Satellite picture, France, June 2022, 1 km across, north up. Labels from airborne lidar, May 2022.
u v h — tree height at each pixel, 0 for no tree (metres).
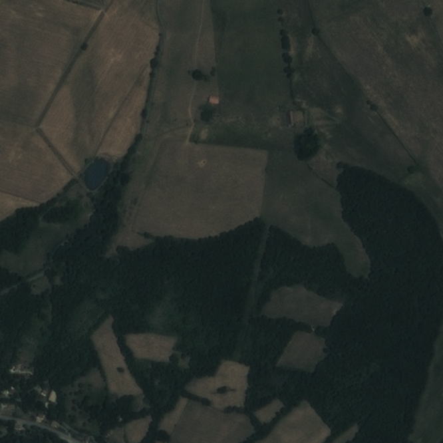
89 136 0
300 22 0
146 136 0
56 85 0
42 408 15
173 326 8
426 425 0
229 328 19
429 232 15
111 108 0
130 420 14
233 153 0
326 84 0
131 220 0
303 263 17
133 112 0
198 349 9
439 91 0
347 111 0
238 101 0
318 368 16
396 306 17
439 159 0
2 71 0
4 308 10
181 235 0
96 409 17
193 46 0
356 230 11
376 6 0
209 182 0
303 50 0
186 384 16
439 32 0
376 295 12
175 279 8
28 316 13
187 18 0
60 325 13
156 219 0
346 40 0
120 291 10
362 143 0
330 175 0
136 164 0
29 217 8
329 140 0
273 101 0
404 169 0
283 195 0
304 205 0
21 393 16
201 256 22
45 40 0
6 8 0
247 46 0
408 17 0
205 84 0
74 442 0
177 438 0
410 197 22
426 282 13
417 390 18
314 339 0
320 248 11
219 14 0
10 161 0
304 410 0
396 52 0
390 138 0
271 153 0
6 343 11
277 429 0
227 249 16
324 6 0
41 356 9
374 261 14
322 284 17
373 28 0
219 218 0
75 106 0
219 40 0
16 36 0
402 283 12
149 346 0
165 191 0
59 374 15
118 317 12
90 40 0
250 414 14
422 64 0
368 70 0
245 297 9
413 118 0
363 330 17
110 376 0
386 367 20
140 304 12
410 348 23
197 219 0
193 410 0
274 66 0
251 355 6
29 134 0
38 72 0
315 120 0
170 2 0
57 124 0
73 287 11
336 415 10
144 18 0
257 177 0
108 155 0
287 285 13
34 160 0
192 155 0
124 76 0
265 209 0
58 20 0
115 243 0
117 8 0
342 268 11
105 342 0
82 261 17
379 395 16
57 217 21
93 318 7
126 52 0
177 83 0
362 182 12
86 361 9
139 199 0
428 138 0
